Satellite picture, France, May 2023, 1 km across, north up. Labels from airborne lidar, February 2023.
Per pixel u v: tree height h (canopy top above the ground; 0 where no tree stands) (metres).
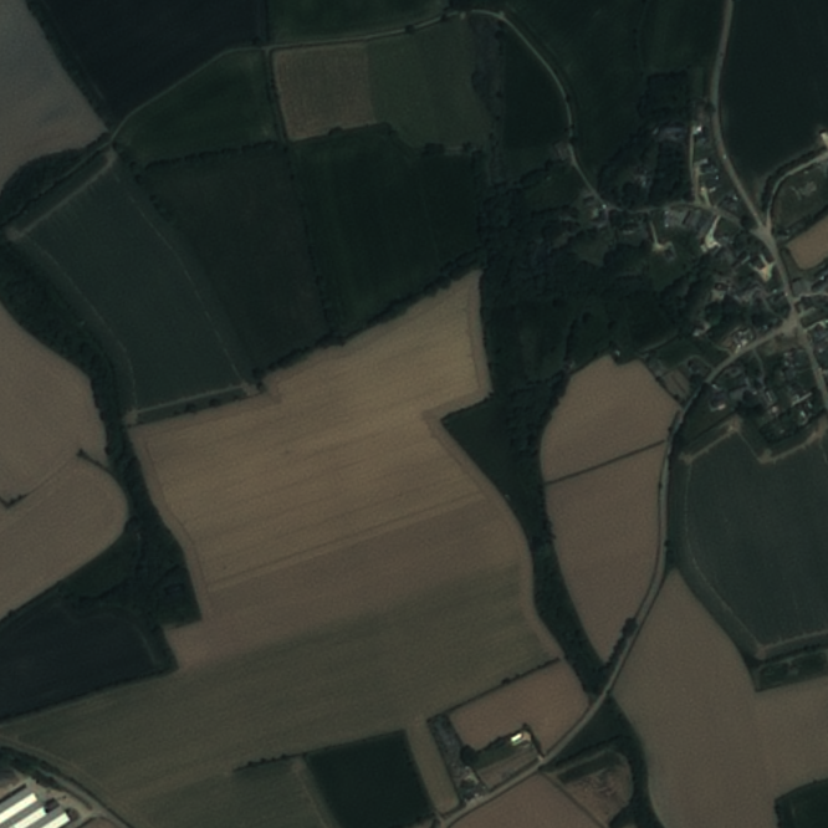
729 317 16
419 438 0
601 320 0
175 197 0
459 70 0
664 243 0
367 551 0
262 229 0
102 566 0
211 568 0
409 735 0
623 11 0
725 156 0
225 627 0
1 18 0
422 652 0
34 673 0
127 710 0
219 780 0
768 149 0
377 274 0
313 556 0
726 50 0
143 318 0
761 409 11
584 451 0
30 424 0
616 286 11
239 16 0
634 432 0
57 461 0
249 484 0
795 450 0
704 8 0
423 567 0
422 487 0
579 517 0
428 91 0
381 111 0
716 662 0
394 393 0
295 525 0
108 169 0
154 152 0
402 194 0
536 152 0
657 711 0
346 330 0
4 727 0
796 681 0
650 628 0
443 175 0
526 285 12
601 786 0
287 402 0
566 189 0
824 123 0
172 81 0
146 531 12
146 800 0
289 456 0
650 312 0
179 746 0
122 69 0
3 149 0
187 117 0
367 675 0
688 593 0
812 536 0
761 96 0
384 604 0
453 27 0
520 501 0
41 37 0
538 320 0
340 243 0
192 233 0
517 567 0
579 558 0
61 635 0
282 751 0
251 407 0
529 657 0
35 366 0
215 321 0
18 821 0
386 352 0
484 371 0
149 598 10
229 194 0
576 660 9
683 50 0
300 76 0
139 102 0
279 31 0
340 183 0
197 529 0
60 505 0
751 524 0
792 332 0
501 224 12
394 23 0
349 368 0
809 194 0
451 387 0
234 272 0
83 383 0
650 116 12
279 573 0
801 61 0
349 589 0
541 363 0
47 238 0
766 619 0
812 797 0
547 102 0
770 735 0
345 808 0
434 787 0
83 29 0
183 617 0
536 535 0
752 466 0
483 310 7
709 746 0
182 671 0
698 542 0
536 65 0
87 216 0
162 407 0
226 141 0
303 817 0
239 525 0
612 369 0
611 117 0
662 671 0
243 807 0
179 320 0
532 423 8
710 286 8
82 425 0
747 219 9
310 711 0
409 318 0
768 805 0
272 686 0
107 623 0
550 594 6
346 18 0
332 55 0
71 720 0
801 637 0
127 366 0
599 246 0
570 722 0
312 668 0
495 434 0
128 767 0
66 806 0
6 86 0
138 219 0
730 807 0
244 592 0
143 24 0
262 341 0
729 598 0
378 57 0
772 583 0
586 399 0
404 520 0
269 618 0
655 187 14
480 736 0
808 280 0
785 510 0
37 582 0
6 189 6
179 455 0
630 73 0
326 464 0
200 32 0
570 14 0
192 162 9
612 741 7
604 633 0
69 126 0
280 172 0
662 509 0
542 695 0
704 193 0
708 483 0
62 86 0
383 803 0
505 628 0
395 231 0
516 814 0
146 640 0
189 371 0
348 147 0
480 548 0
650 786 0
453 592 0
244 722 0
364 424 0
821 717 0
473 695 0
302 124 0
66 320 0
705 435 0
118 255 0
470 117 0
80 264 0
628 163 13
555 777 0
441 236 0
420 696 0
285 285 0
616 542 0
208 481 0
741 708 0
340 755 0
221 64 0
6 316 0
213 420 0
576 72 0
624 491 0
